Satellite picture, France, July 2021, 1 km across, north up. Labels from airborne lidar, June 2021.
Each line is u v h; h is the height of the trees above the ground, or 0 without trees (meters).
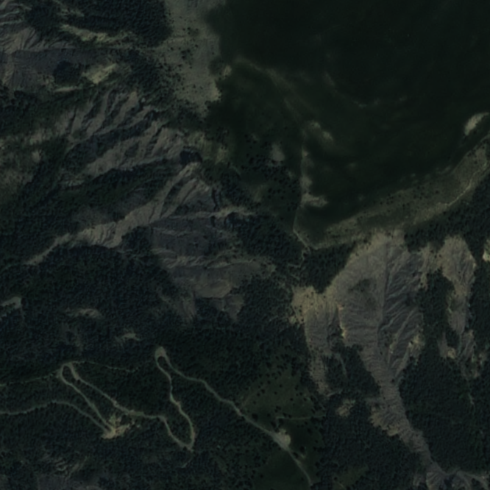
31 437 16
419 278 0
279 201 0
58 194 10
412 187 0
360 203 0
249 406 0
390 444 15
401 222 0
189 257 0
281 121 0
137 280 18
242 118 0
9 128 15
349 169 0
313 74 0
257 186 0
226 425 7
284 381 0
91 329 9
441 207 0
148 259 13
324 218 0
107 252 17
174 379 7
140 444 7
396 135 0
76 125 0
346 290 0
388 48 0
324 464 13
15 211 13
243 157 0
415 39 0
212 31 0
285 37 0
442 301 12
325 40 0
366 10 0
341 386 6
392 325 0
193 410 7
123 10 14
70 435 13
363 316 0
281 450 9
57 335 13
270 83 0
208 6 0
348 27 0
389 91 0
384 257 0
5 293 16
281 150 0
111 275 11
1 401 12
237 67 0
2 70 0
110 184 8
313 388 8
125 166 0
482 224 12
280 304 7
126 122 0
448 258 0
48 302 13
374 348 0
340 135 0
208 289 0
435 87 0
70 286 10
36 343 17
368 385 14
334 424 18
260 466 8
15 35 0
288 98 0
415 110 0
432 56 0
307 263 6
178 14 0
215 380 8
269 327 8
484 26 0
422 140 0
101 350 12
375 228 0
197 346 6
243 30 0
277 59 0
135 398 8
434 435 20
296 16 0
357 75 0
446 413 10
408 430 0
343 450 16
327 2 0
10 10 0
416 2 0
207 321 10
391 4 0
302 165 0
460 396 12
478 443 10
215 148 0
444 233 8
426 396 9
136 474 8
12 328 17
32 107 9
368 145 0
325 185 0
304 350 11
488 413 16
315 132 0
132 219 0
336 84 0
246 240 12
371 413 11
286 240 7
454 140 0
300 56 0
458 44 0
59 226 13
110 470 10
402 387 10
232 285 0
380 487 7
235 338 8
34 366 8
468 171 0
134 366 6
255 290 11
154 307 10
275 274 7
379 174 0
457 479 0
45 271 10
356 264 0
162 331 17
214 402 8
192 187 0
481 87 0
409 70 0
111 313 10
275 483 0
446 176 0
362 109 0
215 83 0
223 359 7
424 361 7
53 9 8
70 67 11
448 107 0
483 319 14
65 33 8
